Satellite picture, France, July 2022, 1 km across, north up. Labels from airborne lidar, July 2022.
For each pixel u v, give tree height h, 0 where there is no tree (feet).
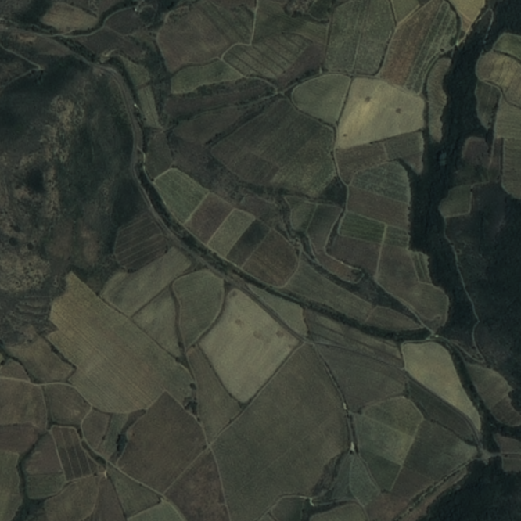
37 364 0
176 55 0
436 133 0
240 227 0
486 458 0
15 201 0
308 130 0
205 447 19
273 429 0
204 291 0
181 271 0
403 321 0
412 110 0
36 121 0
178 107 0
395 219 0
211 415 0
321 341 0
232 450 0
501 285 20
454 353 25
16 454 0
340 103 0
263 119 0
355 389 0
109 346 0
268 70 0
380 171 0
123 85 0
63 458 0
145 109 0
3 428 0
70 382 0
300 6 0
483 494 21
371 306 0
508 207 22
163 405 0
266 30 0
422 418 0
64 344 0
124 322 0
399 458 0
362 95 0
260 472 0
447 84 38
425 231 31
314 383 0
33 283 0
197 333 0
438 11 0
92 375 0
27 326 0
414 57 0
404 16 0
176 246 0
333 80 0
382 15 0
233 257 0
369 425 0
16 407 0
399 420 0
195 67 0
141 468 0
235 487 0
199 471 0
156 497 0
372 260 0
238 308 0
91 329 0
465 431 0
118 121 0
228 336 0
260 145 0
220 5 0
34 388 0
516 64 0
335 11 0
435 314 0
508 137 0
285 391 0
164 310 0
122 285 0
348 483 0
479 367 0
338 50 0
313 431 0
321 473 0
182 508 0
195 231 0
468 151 0
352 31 0
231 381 0
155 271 0
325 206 0
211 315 0
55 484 0
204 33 0
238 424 0
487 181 0
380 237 0
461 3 0
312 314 0
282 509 0
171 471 0
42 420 0
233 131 0
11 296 0
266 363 0
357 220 0
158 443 0
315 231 0
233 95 0
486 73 0
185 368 0
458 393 0
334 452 0
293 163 0
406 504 0
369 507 0
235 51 0
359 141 0
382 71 0
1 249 0
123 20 0
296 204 0
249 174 0
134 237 0
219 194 0
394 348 0
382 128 0
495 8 25
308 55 0
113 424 0
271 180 0
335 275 19
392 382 0
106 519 0
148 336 0
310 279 0
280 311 0
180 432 0
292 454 0
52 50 0
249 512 0
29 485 0
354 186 0
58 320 0
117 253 0
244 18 0
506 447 0
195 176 0
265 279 0
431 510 25
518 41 0
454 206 0
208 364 0
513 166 0
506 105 0
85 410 0
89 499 0
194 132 0
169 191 0
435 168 22
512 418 0
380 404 0
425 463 0
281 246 0
